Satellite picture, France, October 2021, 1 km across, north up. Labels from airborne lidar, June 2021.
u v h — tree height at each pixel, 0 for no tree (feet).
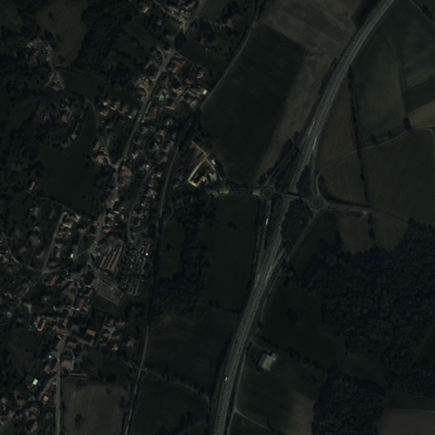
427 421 0
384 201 0
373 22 0
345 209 0
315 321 0
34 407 0
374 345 82
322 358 0
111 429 0
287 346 0
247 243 0
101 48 56
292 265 0
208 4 0
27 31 53
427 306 71
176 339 0
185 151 22
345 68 0
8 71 73
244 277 0
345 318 95
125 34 45
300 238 65
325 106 0
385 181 0
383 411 81
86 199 27
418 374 74
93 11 58
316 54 0
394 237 0
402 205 0
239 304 0
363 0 0
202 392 30
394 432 0
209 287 0
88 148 0
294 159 28
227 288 0
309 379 0
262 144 0
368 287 73
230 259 0
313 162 0
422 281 73
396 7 0
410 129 59
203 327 0
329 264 103
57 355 0
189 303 89
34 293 0
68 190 0
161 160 0
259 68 0
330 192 0
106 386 0
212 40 95
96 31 69
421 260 76
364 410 86
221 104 0
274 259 0
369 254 0
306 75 0
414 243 63
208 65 0
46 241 32
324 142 0
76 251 0
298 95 0
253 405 0
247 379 0
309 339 0
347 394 86
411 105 0
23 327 26
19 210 0
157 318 57
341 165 0
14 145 50
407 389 46
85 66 71
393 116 0
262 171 0
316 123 0
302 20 0
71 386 0
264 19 0
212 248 0
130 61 49
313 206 0
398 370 103
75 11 0
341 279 86
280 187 35
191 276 40
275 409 0
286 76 0
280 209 36
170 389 0
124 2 67
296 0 0
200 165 0
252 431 0
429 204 0
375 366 0
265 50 0
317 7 0
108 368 0
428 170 0
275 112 0
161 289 73
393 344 95
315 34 0
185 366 0
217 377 37
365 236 0
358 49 0
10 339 0
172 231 0
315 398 0
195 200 50
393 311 75
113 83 45
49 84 0
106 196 0
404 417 0
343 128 0
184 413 0
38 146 50
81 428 0
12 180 24
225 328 0
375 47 0
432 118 0
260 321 0
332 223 0
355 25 0
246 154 0
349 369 0
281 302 0
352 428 91
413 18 0
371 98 0
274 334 0
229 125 0
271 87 0
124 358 53
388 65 0
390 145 0
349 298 76
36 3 88
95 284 0
